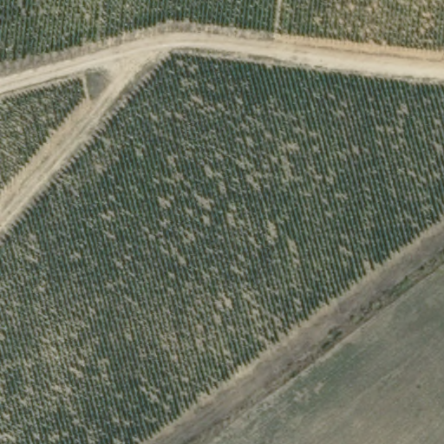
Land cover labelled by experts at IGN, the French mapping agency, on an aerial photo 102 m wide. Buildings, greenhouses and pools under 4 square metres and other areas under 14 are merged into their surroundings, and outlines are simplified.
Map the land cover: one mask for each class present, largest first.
<instances>
[{"label":"vineyard","instance_id":"1","mask_svg":"<svg viewBox=\"0 0 444 444\"><path fill-rule=\"evenodd\" d=\"M149 26L156 29L158 35L203 31L206 35L236 36L243 40H272L276 45L293 47V52L321 50L330 54L390 57L413 64L444 66V0H0V76L14 75L26 69L76 59L80 55L97 54L102 50L114 49L121 43L135 42V29ZM241 55L238 52L198 47L175 49L165 61L158 64L151 78H147L139 90L128 99L125 108L118 109V113L106 121L104 128L95 130L94 137L88 144L78 147L75 153L69 156V165L62 166L61 170H57L50 177L49 186L31 199L28 208H24L14 225L0 236V444H140L149 435L165 427L166 423L175 420L184 409L189 408L198 399L201 392L206 394L210 392V388L219 387L220 382H224L232 373L238 371L239 366L248 364L253 357L258 356V352L265 350L267 345L277 342L281 333H288L293 324L305 321L312 314V310H316L321 304H328L331 298L338 297L342 291L349 290L352 281L366 274L364 262H369L371 269H375L376 264L390 257V253L411 243L420 232L439 222L441 215H444V82L428 85L340 71L286 68L281 66V59L269 55L250 54L245 61H238ZM83 101L82 80L75 78L73 80L71 75L54 76L45 82L0 94V191L9 184L12 177L21 172L24 165H28L29 158L47 142L50 130L61 127L66 116Z\"/></svg>","mask_w":444,"mask_h":444},{"label":"agricultural land","instance_id":"2","mask_svg":"<svg viewBox=\"0 0 444 444\"><path fill-rule=\"evenodd\" d=\"M208 444H444V265H441L434 274L423 277L420 283L402 293L401 297L395 298L392 304L380 310L366 323L357 326L352 333L342 336L330 350L324 352L323 356L317 357L314 364L300 371V375L293 376L290 382L276 388L271 395L257 402L253 408L241 411L238 420L224 421V430Z\"/></svg>","mask_w":444,"mask_h":444},{"label":"herbaceous vegetation","instance_id":"3","mask_svg":"<svg viewBox=\"0 0 444 444\"><path fill-rule=\"evenodd\" d=\"M158 64H144L134 76V80L128 82L127 87L114 97V101H111L104 92V88L109 85L108 71L87 69L78 71L75 78L82 80L83 101L66 116L61 127L50 130L47 142L29 158L28 165H24L21 172L12 177L9 184L0 191V236L14 225L24 208H28L31 199L49 186L50 177L57 170H61L62 166L69 165V156L75 153L78 147L88 144L94 137L95 130L104 128L106 121L118 113V109L125 108L128 99L139 90L147 78H151ZM441 265H444V215H441L439 222L420 232L411 243L390 253V257L376 264L375 269H371L369 262H364L366 274L352 281L349 290L342 291L338 297L331 298L328 304H321L316 310H312V314L305 321L293 324L288 333H281L277 342L267 345L265 350L258 352V356L253 357L248 364L239 366L238 371L232 373L224 382H220L219 387L210 388V392L206 394L201 392L198 399L189 408L184 409L175 420L166 423L165 427L149 435L140 444H208L224 430V421L238 420L241 411L253 408L257 402L271 395L276 388L290 382L293 376L300 375V371L314 364L317 357L323 356L324 352L330 350L342 336L352 333L357 326L366 323L380 310L392 304L395 298L401 297L402 293L420 283L423 277L434 274Z\"/></svg>","mask_w":444,"mask_h":444},{"label":"pervious surface","instance_id":"4","mask_svg":"<svg viewBox=\"0 0 444 444\"><path fill-rule=\"evenodd\" d=\"M135 42L121 43L114 49L102 50L97 54L80 55L76 59L26 69L14 75L0 76V94L45 82L54 76L71 75L73 80L75 78L78 71L87 69L108 71L109 85L104 88V92L111 101H114V97L127 87L128 82L134 80V76L144 64H158L165 61L175 49L198 47L238 52L241 55L238 61H245L250 54L269 55L281 59V66L286 68L340 71L428 85L444 82V66L413 64L390 57L330 54L321 50L293 52V47L276 45L272 40H243L236 36L206 35L203 31L158 35L156 29L149 26L135 29Z\"/></svg>","mask_w":444,"mask_h":444}]
</instances>
